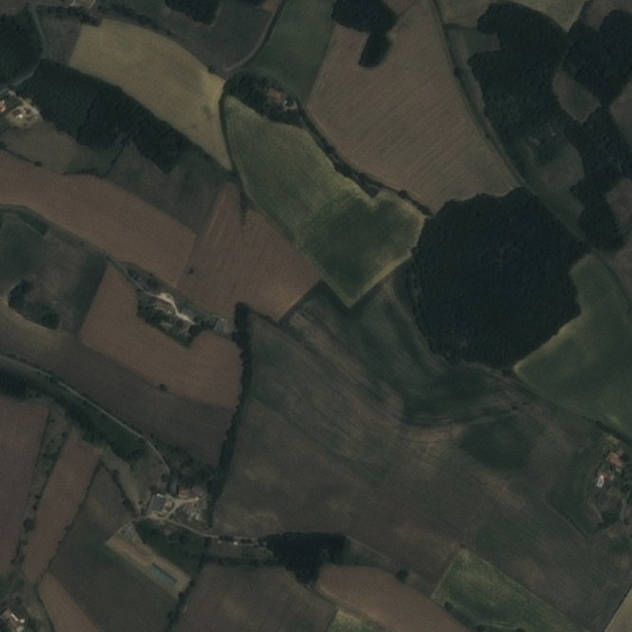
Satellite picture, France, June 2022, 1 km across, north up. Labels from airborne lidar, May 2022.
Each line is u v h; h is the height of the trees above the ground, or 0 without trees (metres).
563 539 0
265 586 0
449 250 13
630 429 0
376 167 0
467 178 0
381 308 0
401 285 0
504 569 0
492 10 14
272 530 0
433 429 0
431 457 0
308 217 0
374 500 0
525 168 5
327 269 0
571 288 19
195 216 0
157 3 0
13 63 8
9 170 0
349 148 0
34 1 0
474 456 0
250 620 0
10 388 20
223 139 0
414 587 0
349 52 0
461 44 0
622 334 0
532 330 13
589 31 16
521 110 8
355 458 0
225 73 0
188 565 0
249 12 0
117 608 0
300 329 0
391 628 0
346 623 0
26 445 0
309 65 0
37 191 0
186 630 0
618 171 10
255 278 0
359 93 0
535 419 0
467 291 16
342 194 0
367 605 0
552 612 0
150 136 19
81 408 9
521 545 0
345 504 0
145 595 0
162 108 0
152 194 0
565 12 0
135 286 0
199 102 0
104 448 0
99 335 0
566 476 0
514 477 0
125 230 0
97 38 0
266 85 14
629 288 0
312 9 0
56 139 0
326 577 0
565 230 16
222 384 0
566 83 0
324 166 0
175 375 0
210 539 12
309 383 0
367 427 0
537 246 18
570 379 0
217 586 0
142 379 0
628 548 0
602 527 8
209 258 0
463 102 0
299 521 0
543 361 0
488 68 17
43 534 0
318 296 0
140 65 0
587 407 0
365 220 0
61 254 0
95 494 0
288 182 0
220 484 13
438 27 0
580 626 0
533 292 20
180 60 0
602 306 0
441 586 0
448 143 0
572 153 0
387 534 0
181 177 0
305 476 0
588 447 0
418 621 0
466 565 0
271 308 0
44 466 0
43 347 0
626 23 17
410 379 0
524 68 13
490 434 0
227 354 0
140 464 0
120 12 7
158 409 0
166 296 0
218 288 0
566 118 13
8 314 0
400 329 0
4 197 0
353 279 0
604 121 13
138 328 0
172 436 0
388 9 17
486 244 15
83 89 13
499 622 0
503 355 10
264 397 0
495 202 15
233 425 9
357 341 0
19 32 9
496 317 17
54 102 9
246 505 0
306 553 14
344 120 0
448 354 12
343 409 0
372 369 0
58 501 0
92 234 0
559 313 12
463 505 0
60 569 0
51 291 0
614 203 0
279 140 0
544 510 0
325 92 0
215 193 0
